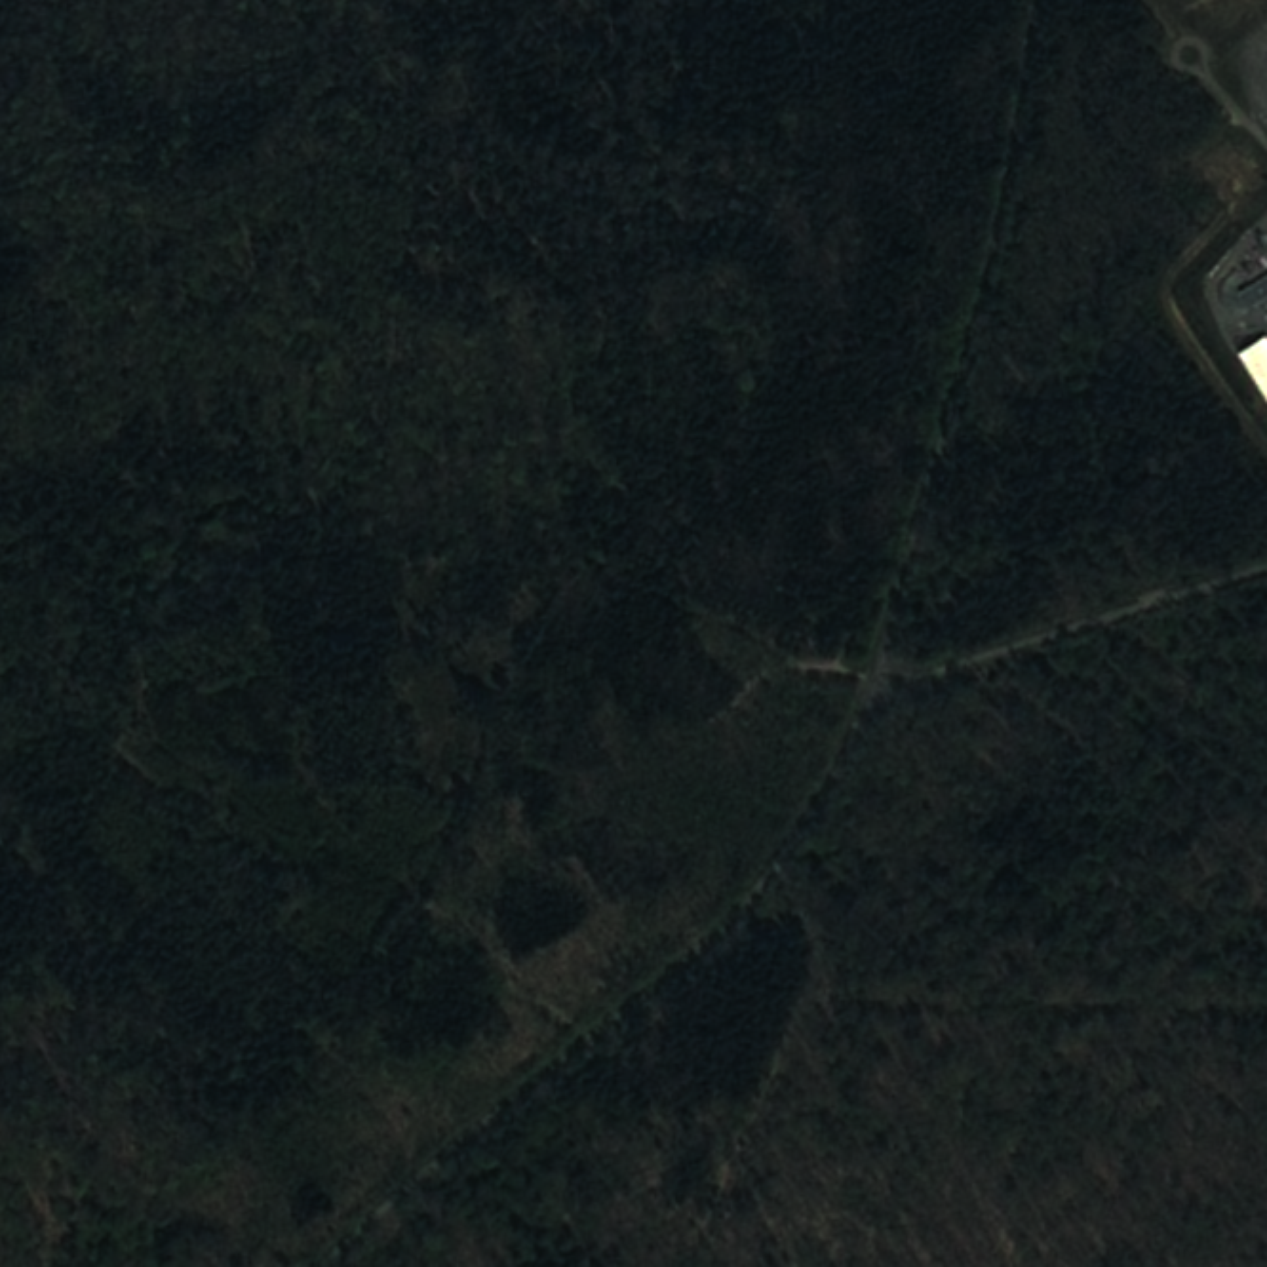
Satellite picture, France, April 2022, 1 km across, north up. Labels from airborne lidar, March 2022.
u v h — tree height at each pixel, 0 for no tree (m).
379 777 23
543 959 20
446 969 19
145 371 26
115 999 29
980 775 26
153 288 25
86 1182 26
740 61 32
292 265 26
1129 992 25
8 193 28
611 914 23
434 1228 25
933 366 23
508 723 24
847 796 25
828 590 29
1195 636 24
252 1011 21
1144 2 20
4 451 29
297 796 8
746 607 24
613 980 22
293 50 28
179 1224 21
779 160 25
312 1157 19
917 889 27
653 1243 22
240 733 7
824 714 14
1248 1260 25
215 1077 13
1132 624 7
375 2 26
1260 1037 15
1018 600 27
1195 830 6
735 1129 19
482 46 29
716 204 31
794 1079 10
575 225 31
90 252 22
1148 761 24
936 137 27
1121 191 19
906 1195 19
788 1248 18
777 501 28
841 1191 18
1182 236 19
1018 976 25
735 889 15
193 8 29
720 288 25
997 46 26
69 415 26
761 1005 27
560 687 17
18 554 23
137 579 23
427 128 23
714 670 20
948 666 0
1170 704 26
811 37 28
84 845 27
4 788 26
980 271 22
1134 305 22
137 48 27
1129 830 20
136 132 25
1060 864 25
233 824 13
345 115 22
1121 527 27
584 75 37
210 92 24
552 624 20
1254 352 0
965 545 18
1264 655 8
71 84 24
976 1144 24
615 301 32
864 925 25
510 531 25
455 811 10
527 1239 22
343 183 26
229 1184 15
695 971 22
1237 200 0
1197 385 23
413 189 23
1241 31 0
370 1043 23
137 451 32
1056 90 19
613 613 21
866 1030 24
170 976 26
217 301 25
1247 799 25
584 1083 27
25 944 26
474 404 25
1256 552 22
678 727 20
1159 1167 23
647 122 30
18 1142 28
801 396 31
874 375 26
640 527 30
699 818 18
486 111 30
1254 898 28
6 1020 29
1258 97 0
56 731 18
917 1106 21
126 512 18
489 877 19
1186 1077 28
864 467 28
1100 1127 24
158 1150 27
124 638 19
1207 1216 22
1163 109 19
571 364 26
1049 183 19
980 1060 26
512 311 26
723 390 25
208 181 22
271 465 23
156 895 19
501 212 34
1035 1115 21
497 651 12
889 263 27
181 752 11
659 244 29
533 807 24
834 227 28
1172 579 22
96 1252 23
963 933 24
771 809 18
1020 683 6
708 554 26
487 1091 20
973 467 27
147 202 24
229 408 34
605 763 19
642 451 24
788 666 10
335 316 24
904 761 24
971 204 32
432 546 25
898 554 23
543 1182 26
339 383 22
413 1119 20
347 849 7
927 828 25
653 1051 26
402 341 26
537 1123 23
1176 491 29
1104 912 24
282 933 24
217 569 29
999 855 27
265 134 30
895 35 31
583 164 30
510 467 23
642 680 19
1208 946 12
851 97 23
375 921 8
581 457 20
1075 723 22
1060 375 20
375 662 30
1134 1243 22
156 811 14
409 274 28
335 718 24
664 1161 19
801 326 26
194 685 12
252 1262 27
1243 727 8
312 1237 18
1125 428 26
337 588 33
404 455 27
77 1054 28
